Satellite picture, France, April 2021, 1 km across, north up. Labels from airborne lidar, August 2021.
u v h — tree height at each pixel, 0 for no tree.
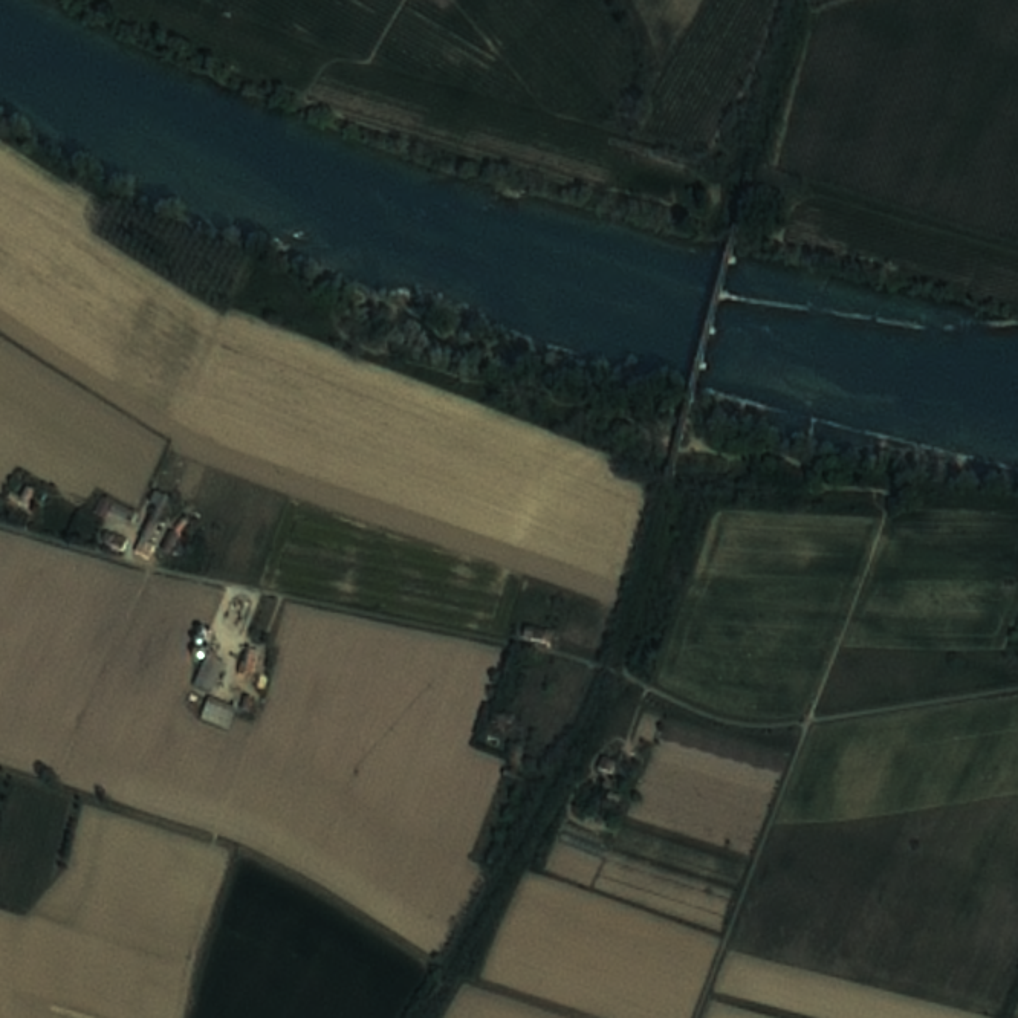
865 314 0
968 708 0
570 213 0
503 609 0
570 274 0
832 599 0
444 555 0
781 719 0
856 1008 0
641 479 17
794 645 0
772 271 0
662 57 0
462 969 12
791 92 9
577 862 0
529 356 27
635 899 0
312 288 19
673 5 0
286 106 17
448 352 18
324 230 0
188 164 0
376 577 0
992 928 0
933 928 0
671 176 0
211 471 0
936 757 0
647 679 6
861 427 0
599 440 15
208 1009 0
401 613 0
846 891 0
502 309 0
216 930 0
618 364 12
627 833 0
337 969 0
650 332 0
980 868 0
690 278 0
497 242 0
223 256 29
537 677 0
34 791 0
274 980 0
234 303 9
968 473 15
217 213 0
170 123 0
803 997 0
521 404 13
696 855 0
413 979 0
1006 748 0
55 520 0
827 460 13
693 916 0
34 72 0
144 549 0
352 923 0
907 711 0
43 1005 0
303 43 0
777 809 0
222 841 0
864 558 0
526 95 0
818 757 0
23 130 32
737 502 16
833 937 0
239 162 0
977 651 0
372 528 0
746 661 0
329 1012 0
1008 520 0
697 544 10
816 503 8
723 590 0
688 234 32
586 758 8
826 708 0
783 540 0
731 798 0
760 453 8
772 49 13
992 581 0
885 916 0
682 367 0
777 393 0
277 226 0
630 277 0
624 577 8
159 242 29
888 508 7
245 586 0
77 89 0
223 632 0
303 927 0
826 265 23
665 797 0
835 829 0
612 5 15
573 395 28
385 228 0
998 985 0
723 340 0
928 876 0
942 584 0
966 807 0
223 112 0
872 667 0
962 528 0
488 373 20
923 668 0
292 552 0
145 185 0
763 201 25
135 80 0
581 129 0
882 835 0
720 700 0
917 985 0
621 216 20
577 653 0
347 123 6
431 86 0
